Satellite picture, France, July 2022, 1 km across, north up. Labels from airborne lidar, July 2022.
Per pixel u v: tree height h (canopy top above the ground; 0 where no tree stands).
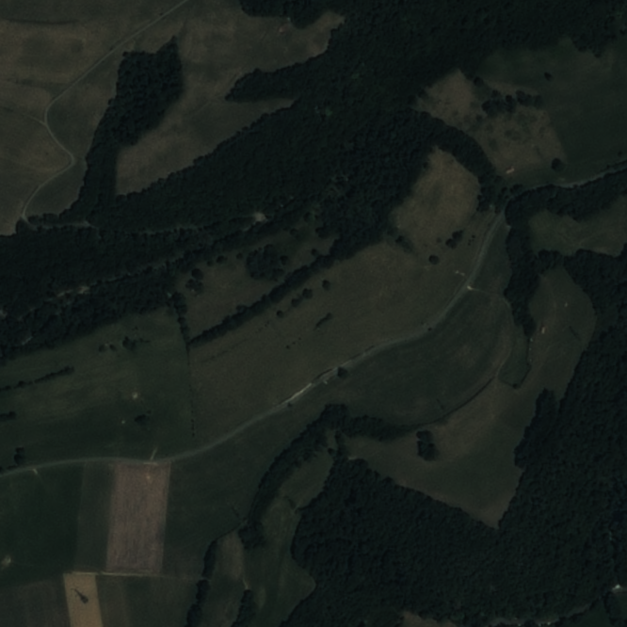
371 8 19
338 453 9
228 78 0
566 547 28
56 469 0
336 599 18
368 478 17
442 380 0
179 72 10
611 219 0
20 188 0
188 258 18
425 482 0
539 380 0
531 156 0
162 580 0
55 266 26
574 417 31
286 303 0
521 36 10
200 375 0
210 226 10
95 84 0
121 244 24
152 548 0
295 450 21
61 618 0
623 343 31
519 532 20
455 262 0
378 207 23
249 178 27
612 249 0
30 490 0
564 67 0
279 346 0
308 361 0
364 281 0
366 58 25
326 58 15
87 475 0
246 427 0
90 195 19
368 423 17
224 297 0
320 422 14
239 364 0
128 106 22
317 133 33
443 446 0
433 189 0
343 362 0
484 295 0
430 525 19
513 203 20
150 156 0
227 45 0
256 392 0
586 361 16
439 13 32
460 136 26
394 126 21
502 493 0
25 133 0
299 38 0
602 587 21
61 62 0
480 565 11
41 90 0
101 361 0
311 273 22
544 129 0
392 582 26
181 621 0
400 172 25
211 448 0
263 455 0
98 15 0
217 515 0
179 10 0
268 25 0
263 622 0
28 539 0
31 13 0
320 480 0
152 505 0
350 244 30
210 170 20
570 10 15
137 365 0
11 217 0
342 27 11
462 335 0
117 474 0
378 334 0
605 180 14
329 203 24
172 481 0
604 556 15
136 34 0
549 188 15
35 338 17
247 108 0
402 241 18
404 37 29
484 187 11
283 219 19
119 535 0
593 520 26
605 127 0
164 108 15
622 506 29
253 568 0
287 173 26
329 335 0
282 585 0
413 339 0
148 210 19
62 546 0
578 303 0
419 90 16
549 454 19
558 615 25
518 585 15
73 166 0
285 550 0
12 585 0
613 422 28
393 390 0
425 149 23
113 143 19
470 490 0
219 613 0
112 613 0
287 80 19
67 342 16
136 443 0
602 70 0
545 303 0
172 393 0
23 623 0
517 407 0
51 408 0
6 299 25
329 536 26
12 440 0
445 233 0
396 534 19
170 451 0
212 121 0
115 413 0
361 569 30
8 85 0
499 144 0
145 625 0
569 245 0
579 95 0
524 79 0
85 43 0
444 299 0
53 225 13
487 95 0
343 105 32
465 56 12
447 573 18
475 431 0
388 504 18
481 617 27
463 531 22
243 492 0
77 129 0
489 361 0
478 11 20
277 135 20
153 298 23
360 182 11
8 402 0
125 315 8
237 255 8
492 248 0
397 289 0
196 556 0
